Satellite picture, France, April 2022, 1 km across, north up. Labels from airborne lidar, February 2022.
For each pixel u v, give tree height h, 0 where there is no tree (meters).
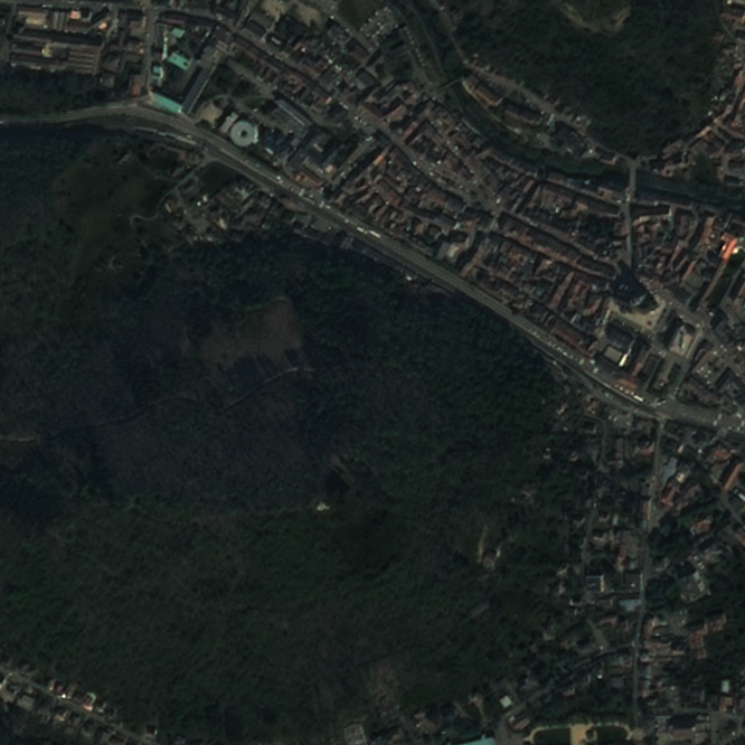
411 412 24
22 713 14
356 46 0
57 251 20
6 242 24
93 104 10
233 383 26
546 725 9
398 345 23
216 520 20
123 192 0
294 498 16
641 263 0
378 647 17
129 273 0
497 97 0
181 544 9
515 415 21
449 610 11
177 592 16
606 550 6
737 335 0
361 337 24
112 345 28
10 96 32
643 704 12
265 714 19
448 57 15
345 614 21
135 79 0
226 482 26
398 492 18
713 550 0
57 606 12
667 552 15
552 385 25
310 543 19
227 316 23
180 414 22
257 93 0
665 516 0
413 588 15
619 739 0
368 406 22
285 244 10
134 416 33
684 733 0
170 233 0
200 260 11
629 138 8
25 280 30
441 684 8
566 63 13
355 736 0
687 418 0
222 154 0
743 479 10
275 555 20
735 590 14
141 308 22
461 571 19
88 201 0
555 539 16
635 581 0
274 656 12
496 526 25
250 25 0
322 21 0
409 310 26
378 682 15
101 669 13
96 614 16
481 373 22
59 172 19
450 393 8
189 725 21
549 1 15
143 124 0
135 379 22
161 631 16
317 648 20
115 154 8
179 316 22
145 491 19
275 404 27
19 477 21
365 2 0
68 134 9
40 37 0
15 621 21
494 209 0
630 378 0
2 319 22
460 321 20
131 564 12
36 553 12
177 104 0
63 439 22
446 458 8
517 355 24
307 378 27
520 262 0
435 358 26
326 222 0
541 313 0
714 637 0
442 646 14
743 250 0
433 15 9
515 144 7
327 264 29
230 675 13
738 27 0
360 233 0
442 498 13
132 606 11
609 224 13
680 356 0
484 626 11
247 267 21
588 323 0
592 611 15
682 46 18
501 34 12
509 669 12
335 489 14
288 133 0
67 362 30
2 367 7
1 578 21
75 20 0
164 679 11
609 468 10
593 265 0
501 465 17
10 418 30
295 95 13
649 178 0
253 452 22
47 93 39
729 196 10
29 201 20
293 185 0
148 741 0
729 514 9
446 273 0
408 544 15
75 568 20
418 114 0
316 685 12
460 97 0
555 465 8
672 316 6
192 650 13
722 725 0
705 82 6
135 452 22
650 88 22
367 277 25
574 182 0
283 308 0
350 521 0
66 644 17
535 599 6
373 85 0
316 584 16
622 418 0
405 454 25
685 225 0
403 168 0
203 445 27
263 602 11
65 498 20
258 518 14
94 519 18
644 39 13
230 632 12
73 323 0
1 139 24
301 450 25
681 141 0
